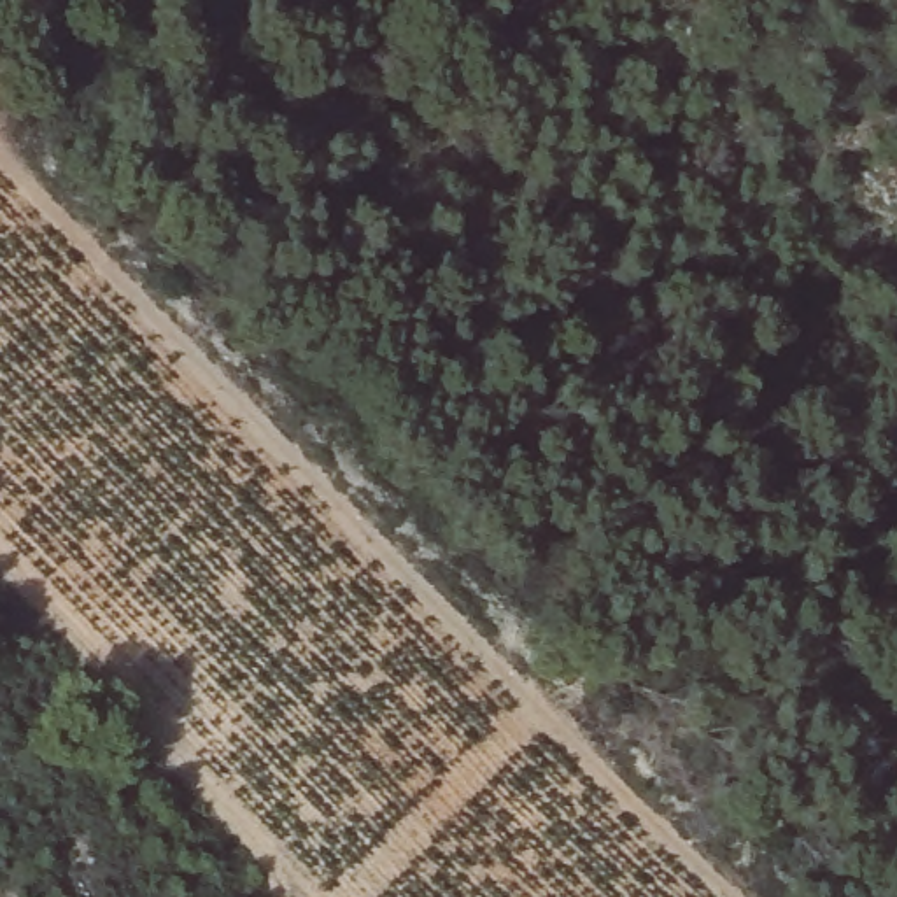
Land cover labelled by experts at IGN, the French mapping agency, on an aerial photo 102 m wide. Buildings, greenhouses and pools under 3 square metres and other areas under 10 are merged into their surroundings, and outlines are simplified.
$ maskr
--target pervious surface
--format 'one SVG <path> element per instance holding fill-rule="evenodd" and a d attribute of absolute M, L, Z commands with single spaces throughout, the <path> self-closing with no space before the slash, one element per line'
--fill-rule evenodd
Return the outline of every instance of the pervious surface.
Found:
<path fill-rule="evenodd" d="M 473 652 L 484 662 L 491 680 L 501 680 L 505 690 L 515 694 L 519 708 L 494 715 L 494 732 L 484 743 L 477 743 L 463 757 L 463 764 L 445 771 L 445 785 L 431 799 L 424 799 L 413 809 L 413 816 L 434 834 L 484 788 L 484 781 L 515 750 L 529 746 L 533 736 L 543 732 L 568 746 L 568 753 L 578 757 L 578 764 L 596 778 L 596 785 L 613 795 L 606 806 L 610 816 L 634 813 L 648 837 L 659 848 L 669 848 L 718 897 L 750 897 L 743 893 L 743 886 L 736 886 L 729 876 L 715 869 L 711 858 L 704 858 L 694 848 L 694 841 L 680 837 L 666 816 L 659 816 L 638 792 L 624 785 L 613 764 L 599 757 L 592 739 L 578 729 L 578 722 L 557 711 L 529 676 L 522 676 L 508 659 L 501 659 L 491 648 L 491 641 L 403 557 L 403 550 L 392 547 L 371 519 L 364 519 L 329 484 L 326 470 L 312 463 L 294 441 L 287 441 L 245 389 L 238 389 L 221 368 L 214 368 L 186 333 L 179 333 L 168 322 L 151 291 L 130 273 L 123 273 L 119 263 L 95 238 L 95 231 L 74 221 L 32 175 L 11 193 L 11 200 L 18 207 L 35 207 L 46 224 L 63 231 L 70 245 L 84 252 L 84 263 L 74 266 L 67 280 L 74 294 L 81 287 L 105 280 L 126 301 L 133 301 L 137 312 L 130 329 L 158 333 L 154 354 L 179 350 L 182 357 L 179 378 L 168 385 L 168 392 L 179 403 L 217 403 L 217 417 L 242 417 L 242 441 L 249 441 L 249 449 L 259 452 L 266 466 L 287 463 L 291 484 L 312 487 L 312 501 L 326 501 L 326 526 L 340 540 L 347 540 L 347 547 L 361 561 L 382 561 L 378 582 L 403 582 L 413 592 L 413 617 L 434 617 L 434 638 L 452 634 L 459 648 Z"/>

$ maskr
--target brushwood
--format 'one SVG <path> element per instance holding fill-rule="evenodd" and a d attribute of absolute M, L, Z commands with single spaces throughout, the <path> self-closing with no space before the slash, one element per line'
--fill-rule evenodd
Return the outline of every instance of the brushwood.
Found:
<path fill-rule="evenodd" d="M 823 834 L 802 830 L 795 823 L 764 823 L 757 830 L 743 830 L 732 820 L 711 816 L 711 799 L 732 788 L 732 767 L 722 753 L 722 739 L 729 736 L 729 729 L 708 729 L 711 715 L 704 708 L 701 687 L 687 687 L 687 694 L 659 694 L 648 680 L 627 680 L 631 666 L 624 662 L 620 638 L 599 645 L 599 631 L 582 631 L 578 624 L 571 624 L 564 606 L 550 603 L 547 592 L 522 589 L 526 550 L 519 547 L 519 540 L 508 540 L 501 515 L 491 505 L 473 508 L 470 498 L 445 498 L 441 491 L 420 491 L 413 498 L 403 487 L 406 459 L 389 456 L 382 449 L 378 424 L 357 413 L 354 399 L 333 399 L 326 385 L 298 382 L 284 350 L 252 347 L 249 277 L 224 284 L 200 277 L 200 270 L 189 263 L 147 266 L 137 238 L 126 235 L 126 210 L 119 214 L 109 200 L 81 200 L 70 193 L 70 172 L 56 165 L 60 147 L 49 123 L 32 130 L 39 116 L 32 112 L 4 116 L 4 133 L 32 175 L 74 221 L 95 231 L 95 238 L 119 263 L 123 273 L 130 273 L 151 291 L 168 322 L 179 333 L 186 333 L 214 368 L 221 368 L 238 389 L 245 389 L 287 441 L 294 441 L 312 463 L 326 470 L 329 484 L 364 519 L 371 519 L 392 547 L 403 550 L 403 557 L 491 641 L 491 648 L 501 659 L 508 659 L 522 676 L 529 676 L 557 711 L 578 722 L 578 729 L 592 739 L 599 757 L 613 764 L 624 785 L 638 792 L 659 816 L 666 816 L 680 837 L 694 841 L 694 848 L 704 858 L 711 858 L 715 869 L 729 876 L 736 886 L 743 886 L 743 893 L 750 897 L 830 897 L 827 883 L 806 879 L 816 865 L 827 862 Z"/>

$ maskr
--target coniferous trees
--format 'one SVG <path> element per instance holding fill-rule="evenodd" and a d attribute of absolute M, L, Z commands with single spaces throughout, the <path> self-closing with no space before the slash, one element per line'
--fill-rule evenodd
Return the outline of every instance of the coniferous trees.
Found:
<path fill-rule="evenodd" d="M 270 886 L 273 862 L 252 855 L 228 830 L 224 820 L 210 816 L 200 830 L 193 830 L 172 809 L 168 799 L 161 799 L 154 781 L 144 792 L 130 785 L 133 771 L 144 771 L 144 757 L 133 757 L 130 725 L 112 711 L 109 718 L 98 718 L 88 708 L 88 694 L 102 690 L 98 680 L 91 680 L 91 669 L 102 659 L 81 655 L 70 645 L 70 638 L 53 624 L 46 592 L 35 582 L 7 582 L 7 571 L 0 568 L 0 897 L 284 897 L 280 886 Z"/>
<path fill-rule="evenodd" d="M 519 540 L 519 547 L 526 550 L 522 589 L 547 592 L 550 603 L 564 606 L 571 624 L 578 624 L 582 631 L 599 631 L 599 645 L 620 638 L 624 662 L 631 666 L 627 680 L 648 680 L 659 694 L 687 694 L 687 687 L 701 687 L 704 708 L 711 715 L 708 729 L 729 729 L 729 736 L 722 739 L 722 753 L 732 767 L 732 788 L 711 799 L 711 816 L 732 820 L 743 830 L 757 830 L 764 823 L 795 823 L 802 830 L 823 834 L 827 862 L 816 865 L 806 879 L 827 883 L 830 897 L 897 897 L 897 0 L 0 0 L 0 116 L 4 116 L 32 112 L 39 116 L 32 130 L 49 123 L 60 147 L 56 165 L 70 172 L 70 193 L 81 200 L 109 200 L 119 214 L 126 210 L 126 235 L 137 238 L 147 266 L 189 263 L 200 270 L 200 277 L 224 284 L 249 277 L 252 347 L 284 350 L 298 382 L 326 385 L 333 399 L 354 399 L 357 413 L 378 424 L 382 449 L 389 456 L 406 459 L 403 487 L 413 498 L 420 491 L 441 491 L 445 498 L 470 498 L 473 508 L 491 505 L 501 515 L 508 540 Z"/>

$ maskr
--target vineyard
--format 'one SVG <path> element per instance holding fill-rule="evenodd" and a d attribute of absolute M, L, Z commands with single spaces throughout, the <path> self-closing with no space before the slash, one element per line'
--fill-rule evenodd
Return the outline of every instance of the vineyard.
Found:
<path fill-rule="evenodd" d="M 217 403 L 179 403 L 168 392 L 168 385 L 179 378 L 182 357 L 179 350 L 154 354 L 158 333 L 130 329 L 137 312 L 133 301 L 126 301 L 105 280 L 81 287 L 74 294 L 67 280 L 74 266 L 84 263 L 84 252 L 70 245 L 63 231 L 46 224 L 35 207 L 18 207 L 11 200 L 11 193 L 32 175 L 4 133 L 4 116 L 0 116 L 0 568 L 7 571 L 7 582 L 35 582 L 46 592 L 53 624 L 70 638 L 70 645 L 81 655 L 102 659 L 91 669 L 91 680 L 98 680 L 102 690 L 88 694 L 88 708 L 98 718 L 109 718 L 112 711 L 130 725 L 133 757 L 144 757 L 144 771 L 133 771 L 130 785 L 144 792 L 154 781 L 161 799 L 168 799 L 172 809 L 193 830 L 200 830 L 210 816 L 224 820 L 228 830 L 252 855 L 273 862 L 270 886 L 280 886 L 284 897 L 718 897 L 669 848 L 659 848 L 648 837 L 634 813 L 610 816 L 606 806 L 613 795 L 596 785 L 596 778 L 578 764 L 578 757 L 568 753 L 568 746 L 543 732 L 533 736 L 529 746 L 515 750 L 484 781 L 484 788 L 434 834 L 413 816 L 413 809 L 424 799 L 431 799 L 445 785 L 445 771 L 463 764 L 463 757 L 477 743 L 484 743 L 494 732 L 494 715 L 519 708 L 515 694 L 505 690 L 501 680 L 491 680 L 484 662 L 473 652 L 459 648 L 452 634 L 434 638 L 434 617 L 413 617 L 413 592 L 403 582 L 378 582 L 382 561 L 361 561 L 347 547 L 347 540 L 340 540 L 326 526 L 326 501 L 312 501 L 312 487 L 291 484 L 287 463 L 266 466 L 259 452 L 249 449 L 249 441 L 242 441 L 242 417 L 217 417 Z"/>

